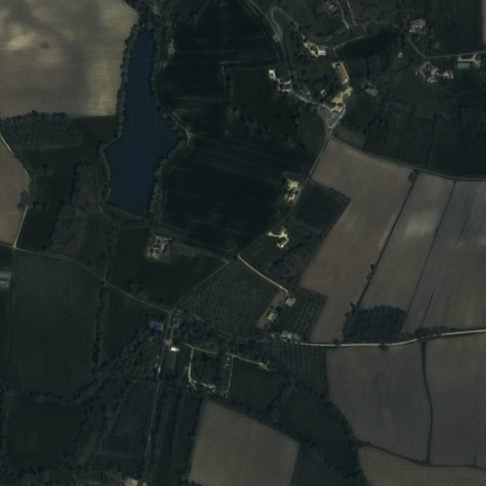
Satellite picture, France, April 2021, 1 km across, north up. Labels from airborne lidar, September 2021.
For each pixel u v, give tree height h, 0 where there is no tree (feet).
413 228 0
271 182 0
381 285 0
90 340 0
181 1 0
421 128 0
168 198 0
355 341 67
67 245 44
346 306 0
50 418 0
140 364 40
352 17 27
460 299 0
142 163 0
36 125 53
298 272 29
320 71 0
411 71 0
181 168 0
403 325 65
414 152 0
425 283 0
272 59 0
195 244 0
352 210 0
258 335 23
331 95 54
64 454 0
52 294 0
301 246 27
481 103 0
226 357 60
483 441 0
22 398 0
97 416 0
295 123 28
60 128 78
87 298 0
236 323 28
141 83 0
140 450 21
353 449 47
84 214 64
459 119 19
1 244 0
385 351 43
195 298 37
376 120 41
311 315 32
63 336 0
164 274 0
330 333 0
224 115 0
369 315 54
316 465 0
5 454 62
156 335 63
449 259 0
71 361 0
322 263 0
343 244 0
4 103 0
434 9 0
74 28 0
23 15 0
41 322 0
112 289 0
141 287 0
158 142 0
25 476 66
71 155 0
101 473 27
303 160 0
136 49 0
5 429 43
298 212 0
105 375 58
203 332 39
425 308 0
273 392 0
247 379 0
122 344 0
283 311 35
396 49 28
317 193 0
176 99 0
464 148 0
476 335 0
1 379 0
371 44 0
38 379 0
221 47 0
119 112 42
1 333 0
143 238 0
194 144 0
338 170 0
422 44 34
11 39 0
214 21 0
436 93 0
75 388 0
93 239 0
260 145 0
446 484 0
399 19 31
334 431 0
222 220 0
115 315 0
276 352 36
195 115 0
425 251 0
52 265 0
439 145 0
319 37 31
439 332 49
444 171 0
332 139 0
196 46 0
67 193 0
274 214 0
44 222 0
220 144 0
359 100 0
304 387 48
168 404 61
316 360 30
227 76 0
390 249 0
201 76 0
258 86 0
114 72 0
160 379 40
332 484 0
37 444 0
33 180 54
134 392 25
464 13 0
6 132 36
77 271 0
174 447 55
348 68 0
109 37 0
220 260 0
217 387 57
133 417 22
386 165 0
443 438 0
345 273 0
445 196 0
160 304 37
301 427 0
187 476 59
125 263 0
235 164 0
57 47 0
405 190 0
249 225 0
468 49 0
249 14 0
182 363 72
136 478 24
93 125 0
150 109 0
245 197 0
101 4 0
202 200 0
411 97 0
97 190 46
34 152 0
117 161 0
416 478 0
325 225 0
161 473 0
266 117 0
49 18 0
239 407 46
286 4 58
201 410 55
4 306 0
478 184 0
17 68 0
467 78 0
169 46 0
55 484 45
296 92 34
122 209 0
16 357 0
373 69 67
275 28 0
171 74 0
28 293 0
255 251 0
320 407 0
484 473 0
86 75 0
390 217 0
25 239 0
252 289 33
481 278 0
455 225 0
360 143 0
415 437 0
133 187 0
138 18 0
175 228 0
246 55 0
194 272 0
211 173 0
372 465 0
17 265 0
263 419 52
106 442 28
